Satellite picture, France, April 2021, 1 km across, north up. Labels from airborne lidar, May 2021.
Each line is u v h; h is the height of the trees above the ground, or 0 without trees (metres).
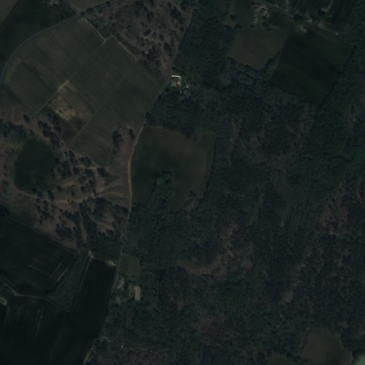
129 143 0
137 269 0
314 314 8
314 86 0
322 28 0
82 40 0
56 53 0
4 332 0
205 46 18
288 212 16
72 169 0
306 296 22
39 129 0
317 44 0
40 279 0
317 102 0
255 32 0
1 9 0
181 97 15
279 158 9
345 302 17
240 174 17
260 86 15
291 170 11
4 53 0
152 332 15
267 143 20
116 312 14
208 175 0
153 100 0
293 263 27
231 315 14
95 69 0
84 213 0
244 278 16
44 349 0
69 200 0
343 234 8
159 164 0
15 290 0
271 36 0
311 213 18
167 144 0
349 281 16
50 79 0
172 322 20
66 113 0
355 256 18
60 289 14
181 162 0
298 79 0
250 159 14
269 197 20
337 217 10
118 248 20
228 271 21
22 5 0
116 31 0
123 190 0
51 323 0
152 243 21
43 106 0
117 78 0
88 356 0
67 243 0
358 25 12
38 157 0
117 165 0
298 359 10
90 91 0
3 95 0
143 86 0
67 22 0
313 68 0
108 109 0
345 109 18
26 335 0
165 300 23
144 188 0
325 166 23
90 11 13
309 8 0
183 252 16
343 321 18
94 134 0
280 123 21
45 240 0
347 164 20
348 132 24
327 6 0
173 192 12
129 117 0
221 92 17
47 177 0
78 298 0
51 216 0
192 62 15
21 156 0
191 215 7
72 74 0
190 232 15
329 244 20
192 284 13
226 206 21
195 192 0
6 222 0
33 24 0
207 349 21
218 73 19
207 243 15
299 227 14
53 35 0
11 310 0
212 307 19
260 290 14
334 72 0
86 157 0
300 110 20
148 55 0
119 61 0
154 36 0
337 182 19
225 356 19
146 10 0
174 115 16
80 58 0
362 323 16
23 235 0
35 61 0
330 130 29
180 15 0
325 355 0
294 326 12
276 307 17
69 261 0
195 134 13
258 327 16
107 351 20
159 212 16
